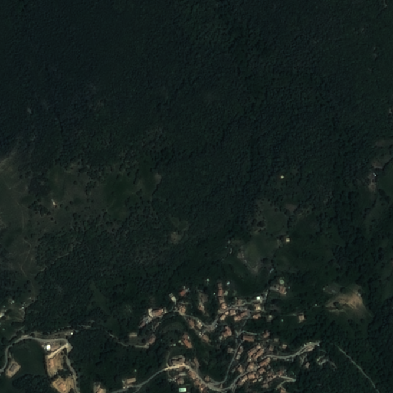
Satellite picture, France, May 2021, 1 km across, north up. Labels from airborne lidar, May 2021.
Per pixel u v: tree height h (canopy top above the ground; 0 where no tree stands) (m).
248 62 11
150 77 13
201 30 7
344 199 17
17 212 0
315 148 11
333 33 8
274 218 0
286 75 17
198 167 12
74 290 11
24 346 0
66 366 10
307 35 11
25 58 7
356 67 12
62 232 9
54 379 15
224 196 9
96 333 14
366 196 0
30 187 6
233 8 12
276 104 8
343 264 21
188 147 16
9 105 6
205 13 14
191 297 11
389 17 12
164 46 10
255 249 0
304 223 0
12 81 6
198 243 8
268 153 13
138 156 15
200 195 17
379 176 11
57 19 7
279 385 0
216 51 15
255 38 16
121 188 0
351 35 11
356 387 20
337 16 7
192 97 8
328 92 17
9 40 9
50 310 8
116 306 13
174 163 14
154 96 8
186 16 13
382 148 11
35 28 7
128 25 7
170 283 10
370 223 0
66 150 9
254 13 10
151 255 8
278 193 7
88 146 10
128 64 9
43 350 0
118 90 14
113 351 17
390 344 17
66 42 7
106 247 12
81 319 12
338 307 15
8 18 9
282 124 6
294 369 9
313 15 8
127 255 6
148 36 10
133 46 10
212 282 0
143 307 8
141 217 12
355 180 12
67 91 9
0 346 13
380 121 13
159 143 14
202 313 11
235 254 8
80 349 11
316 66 11
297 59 10
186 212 13
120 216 0
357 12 11
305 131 9
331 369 18
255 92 23
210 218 12
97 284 13
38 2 6
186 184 13
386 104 12
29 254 0
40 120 6
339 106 16
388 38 13
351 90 10
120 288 12
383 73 12
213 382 0
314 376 9
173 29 8
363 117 13
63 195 0
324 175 14
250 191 13
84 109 7
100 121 8
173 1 17
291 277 8
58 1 7
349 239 20
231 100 11
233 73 21
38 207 8
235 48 24
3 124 10
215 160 10
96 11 6
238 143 11
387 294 0
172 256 11
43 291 11
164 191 12
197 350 8
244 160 11
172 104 12
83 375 6
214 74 7
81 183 0
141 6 10
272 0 8
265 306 7
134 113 7
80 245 8
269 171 10
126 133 8
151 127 10
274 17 12
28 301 0
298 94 10
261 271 0
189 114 10
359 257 21
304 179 14
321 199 14
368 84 13
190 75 14
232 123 15
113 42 5
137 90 10
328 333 10
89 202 9
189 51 8
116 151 8
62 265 10
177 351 0
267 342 7
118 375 11
